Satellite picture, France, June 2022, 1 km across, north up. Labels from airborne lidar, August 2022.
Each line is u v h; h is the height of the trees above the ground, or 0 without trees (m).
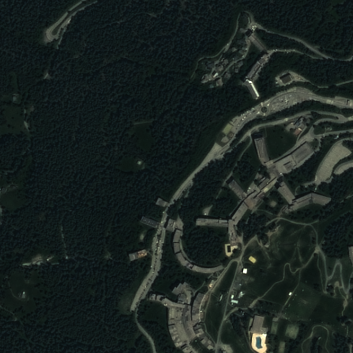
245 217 0
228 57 7
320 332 0
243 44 10
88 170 22
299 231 0
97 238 23
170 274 12
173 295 0
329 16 25
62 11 17
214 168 22
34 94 17
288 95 0
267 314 19
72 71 8
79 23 11
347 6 20
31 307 0
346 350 21
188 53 26
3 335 7
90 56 19
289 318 0
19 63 22
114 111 9
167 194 7
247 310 0
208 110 23
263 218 19
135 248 9
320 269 0
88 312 23
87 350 9
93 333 25
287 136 0
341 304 0
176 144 19
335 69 23
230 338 0
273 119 9
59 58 16
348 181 9
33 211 20
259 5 24
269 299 0
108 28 15
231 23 18
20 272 11
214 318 0
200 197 23
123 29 25
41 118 18
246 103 19
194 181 12
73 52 12
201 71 6
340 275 0
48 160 25
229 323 0
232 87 13
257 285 0
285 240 0
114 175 22
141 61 9
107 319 23
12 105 15
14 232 10
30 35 12
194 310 0
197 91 27
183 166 24
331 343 0
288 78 0
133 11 25
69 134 13
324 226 0
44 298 11
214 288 0
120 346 25
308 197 0
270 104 0
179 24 7
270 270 0
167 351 23
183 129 27
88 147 24
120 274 21
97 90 25
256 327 0
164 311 0
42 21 19
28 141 25
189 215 24
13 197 0
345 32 20
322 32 12
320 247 0
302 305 0
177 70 27
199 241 27
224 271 0
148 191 21
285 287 0
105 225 22
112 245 17
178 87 22
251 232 24
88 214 28
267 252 0
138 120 17
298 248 0
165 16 10
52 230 24
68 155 24
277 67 13
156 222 0
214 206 26
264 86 10
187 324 0
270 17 26
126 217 31
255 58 10
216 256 20
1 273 18
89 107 25
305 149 0
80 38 12
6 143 30
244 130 9
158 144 10
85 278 20
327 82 15
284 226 0
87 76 26
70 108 21
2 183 0
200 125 23
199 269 0
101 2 23
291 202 0
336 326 0
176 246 0
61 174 23
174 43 30
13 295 0
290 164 0
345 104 0
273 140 0
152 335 12
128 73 29
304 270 0
